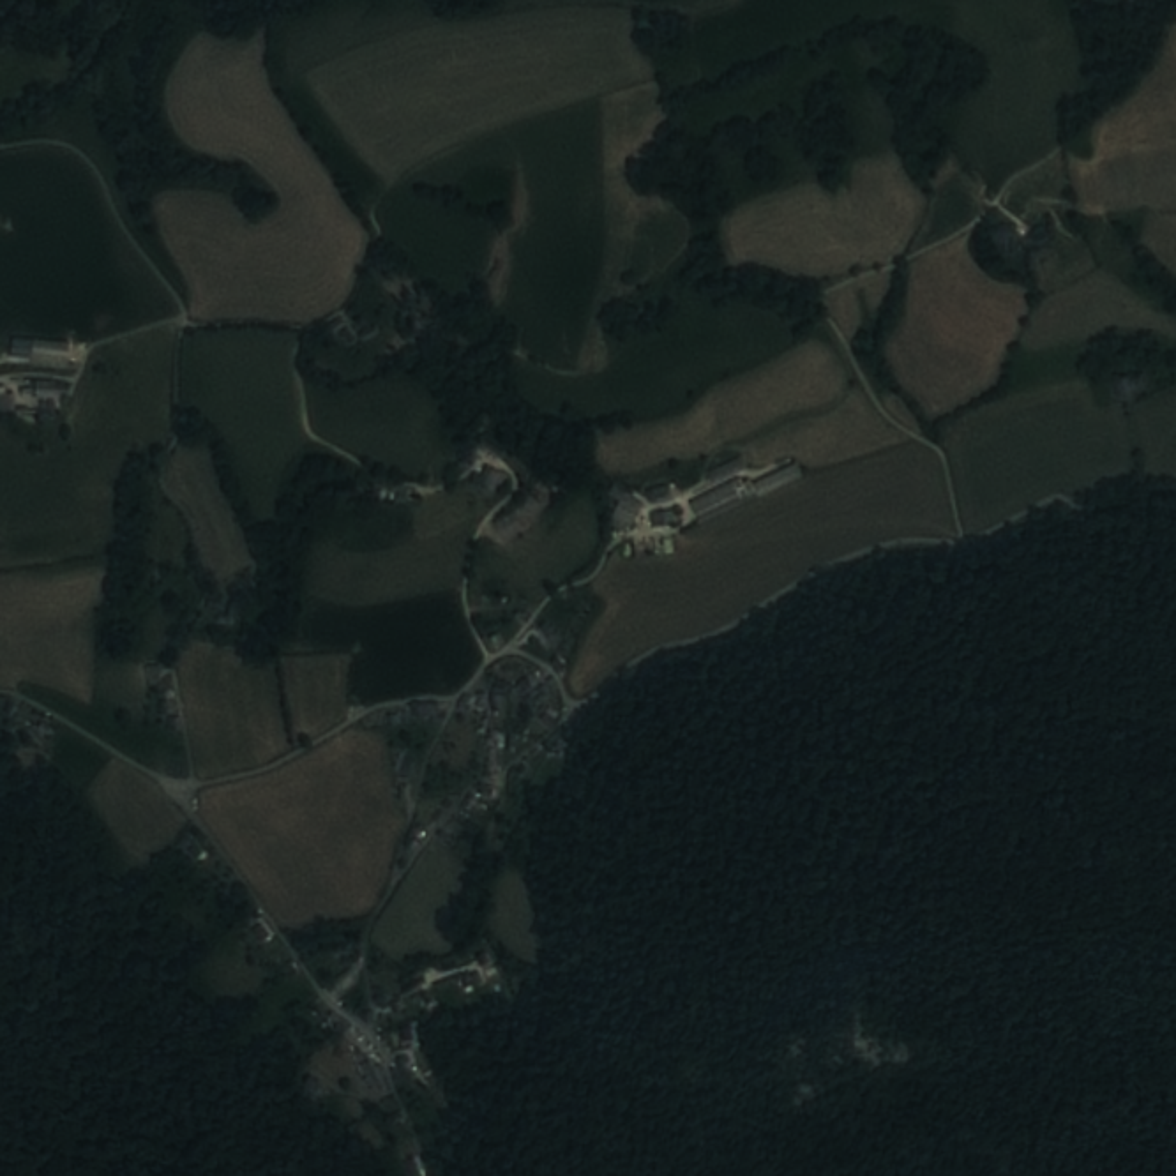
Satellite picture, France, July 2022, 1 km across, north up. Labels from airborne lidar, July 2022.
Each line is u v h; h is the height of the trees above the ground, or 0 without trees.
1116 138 0
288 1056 28
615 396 0
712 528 0
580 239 0
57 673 0
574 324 0
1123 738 26
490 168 0
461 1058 13
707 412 0
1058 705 24
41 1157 14
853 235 0
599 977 17
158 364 0
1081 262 0
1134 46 11
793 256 0
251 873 0
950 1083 13
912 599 26
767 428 0
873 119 0
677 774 18
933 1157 11
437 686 0
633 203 0
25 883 20
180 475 0
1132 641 25
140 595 32
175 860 9
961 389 0
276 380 0
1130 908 24
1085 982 12
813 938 20
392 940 0
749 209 0
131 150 25
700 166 8
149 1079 18
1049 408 0
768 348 0
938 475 0
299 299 0
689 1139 15
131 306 0
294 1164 30
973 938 21
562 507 10
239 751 0
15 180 0
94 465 0
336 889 0
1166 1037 16
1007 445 0
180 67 0
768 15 0
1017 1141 10
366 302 0
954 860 23
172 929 10
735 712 18
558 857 9
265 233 0
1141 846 24
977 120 0
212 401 0
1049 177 0
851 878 19
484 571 0
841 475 0
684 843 12
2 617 0
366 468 8
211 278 0
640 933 11
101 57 14
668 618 0
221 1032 28
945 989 17
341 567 0
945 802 22
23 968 28
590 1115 17
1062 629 26
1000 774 25
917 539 0
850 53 0
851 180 0
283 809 0
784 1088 8
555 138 0
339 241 0
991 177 0
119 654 24
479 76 0
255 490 0
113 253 0
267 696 0
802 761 21
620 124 0
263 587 23
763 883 19
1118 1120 20
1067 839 23
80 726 0
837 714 16
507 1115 23
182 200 0
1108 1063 20
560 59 0
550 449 28
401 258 17
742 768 11
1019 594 25
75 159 0
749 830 24
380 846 0
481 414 10
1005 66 0
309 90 0
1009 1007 11
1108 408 0
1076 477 0
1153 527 18
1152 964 12
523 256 0
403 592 0
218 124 0
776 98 0
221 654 0
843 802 15
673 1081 10
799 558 0
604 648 0
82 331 0
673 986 12
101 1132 19
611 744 10
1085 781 26
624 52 0
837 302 0
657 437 0
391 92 0
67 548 0
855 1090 8
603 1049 9
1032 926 18
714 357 0
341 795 0
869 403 0
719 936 14
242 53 0
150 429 0
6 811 36
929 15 0
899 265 16
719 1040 7
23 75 0
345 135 0
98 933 25
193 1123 28
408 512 0
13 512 0
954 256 0
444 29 0
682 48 8
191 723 0
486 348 23
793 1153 14
